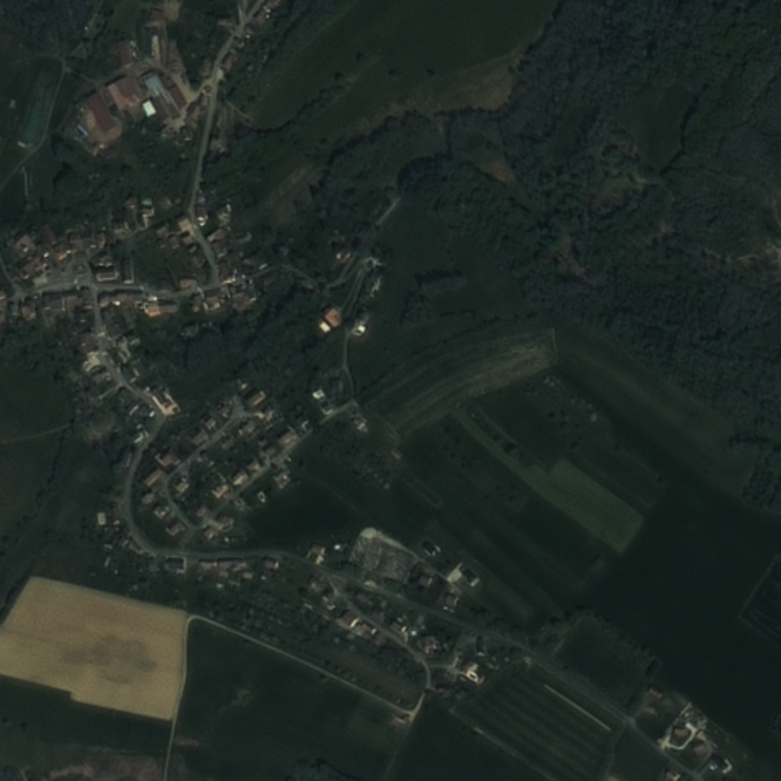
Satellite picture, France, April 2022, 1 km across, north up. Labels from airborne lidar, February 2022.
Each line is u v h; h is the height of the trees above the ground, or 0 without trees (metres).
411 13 0
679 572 0
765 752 0
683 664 0
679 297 9
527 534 0
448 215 24
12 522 0
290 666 0
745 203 14
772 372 28
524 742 0
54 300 0
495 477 0
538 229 10
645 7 31
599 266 26
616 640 0
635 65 26
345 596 0
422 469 0
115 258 7
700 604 0
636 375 0
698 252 29
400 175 0
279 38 12
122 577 9
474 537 0
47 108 0
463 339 0
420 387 0
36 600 0
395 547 0
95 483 0
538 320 10
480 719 0
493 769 0
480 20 0
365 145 22
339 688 0
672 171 13
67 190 17
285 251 18
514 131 20
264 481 0
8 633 0
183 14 0
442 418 0
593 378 0
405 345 0
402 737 0
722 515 0
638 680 0
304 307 14
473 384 0
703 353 29
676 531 0
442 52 0
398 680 0
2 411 0
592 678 0
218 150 0
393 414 0
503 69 0
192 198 0
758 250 0
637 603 0
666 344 28
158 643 0
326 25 20
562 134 0
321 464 0
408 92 0
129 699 0
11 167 0
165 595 0
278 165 0
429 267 0
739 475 0
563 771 0
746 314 28
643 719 0
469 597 0
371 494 0
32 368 20
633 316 19
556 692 0
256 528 0
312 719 0
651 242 29
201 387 0
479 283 0
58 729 0
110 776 0
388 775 0
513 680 0
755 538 0
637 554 0
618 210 12
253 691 0
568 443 0
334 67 0
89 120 0
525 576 0
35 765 0
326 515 0
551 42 23
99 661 0
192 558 0
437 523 0
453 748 0
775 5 16
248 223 0
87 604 0
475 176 27
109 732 0
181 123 0
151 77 0
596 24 26
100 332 0
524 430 0
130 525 0
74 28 24
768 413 25
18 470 0
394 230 0
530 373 0
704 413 0
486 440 0
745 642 0
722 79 19
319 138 0
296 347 19
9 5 23
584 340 0
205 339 22
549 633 0
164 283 0
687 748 0
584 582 0
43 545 0
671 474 0
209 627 0
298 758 0
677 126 0
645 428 0
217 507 0
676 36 25
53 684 0
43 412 0
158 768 0
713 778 0
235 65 0
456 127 26
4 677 0
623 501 0
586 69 26
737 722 0
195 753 0
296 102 0
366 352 0
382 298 0
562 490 0
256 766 0
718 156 10
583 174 29
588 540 0
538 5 0
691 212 15
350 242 0
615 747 0
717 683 0
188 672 0
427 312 12
